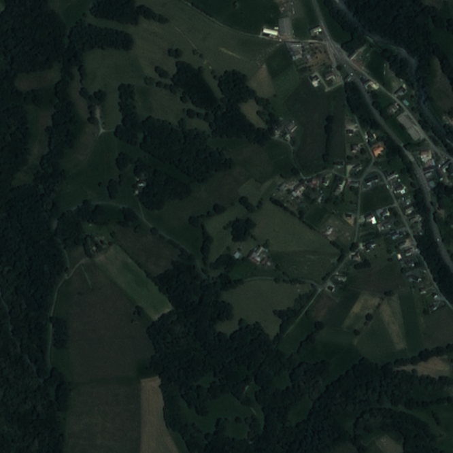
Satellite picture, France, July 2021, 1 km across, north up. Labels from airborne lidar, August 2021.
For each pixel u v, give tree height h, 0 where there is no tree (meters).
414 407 22
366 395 14
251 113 0
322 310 0
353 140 0
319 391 15
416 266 13
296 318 11
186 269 16
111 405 0
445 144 12
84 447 0
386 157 6
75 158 0
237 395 20
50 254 19
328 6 15
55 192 13
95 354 0
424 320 0
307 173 0
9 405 29
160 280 9
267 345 22
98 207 16
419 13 22
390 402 9
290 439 24
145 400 0
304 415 0
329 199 8
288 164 0
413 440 19
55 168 26
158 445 0
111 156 0
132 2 20
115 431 0
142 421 0
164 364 10
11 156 14
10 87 18
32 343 24
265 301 0
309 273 0
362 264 12
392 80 0
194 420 0
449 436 0
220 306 24
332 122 16
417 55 17
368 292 0
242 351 23
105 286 0
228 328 0
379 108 19
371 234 6
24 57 26
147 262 0
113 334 0
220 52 0
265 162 0
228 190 0
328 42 0
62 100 13
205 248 14
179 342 23
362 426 20
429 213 22
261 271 0
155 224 0
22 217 25
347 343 0
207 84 11
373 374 21
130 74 0
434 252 20
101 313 0
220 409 0
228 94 24
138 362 0
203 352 14
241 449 22
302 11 0
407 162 10
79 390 0
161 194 24
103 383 0
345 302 0
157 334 15
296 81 0
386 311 0
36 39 23
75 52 15
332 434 24
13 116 24
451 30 13
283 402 31
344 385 26
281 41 0
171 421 15
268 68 0
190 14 0
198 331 23
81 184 0
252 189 0
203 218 17
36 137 0
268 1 0
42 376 29
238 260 11
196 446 21
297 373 27
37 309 19
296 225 0
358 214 0
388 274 0
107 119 0
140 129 27
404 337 0
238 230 22
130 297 0
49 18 21
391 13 28
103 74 0
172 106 0
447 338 0
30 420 9
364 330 0
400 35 24
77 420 0
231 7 0
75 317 0
